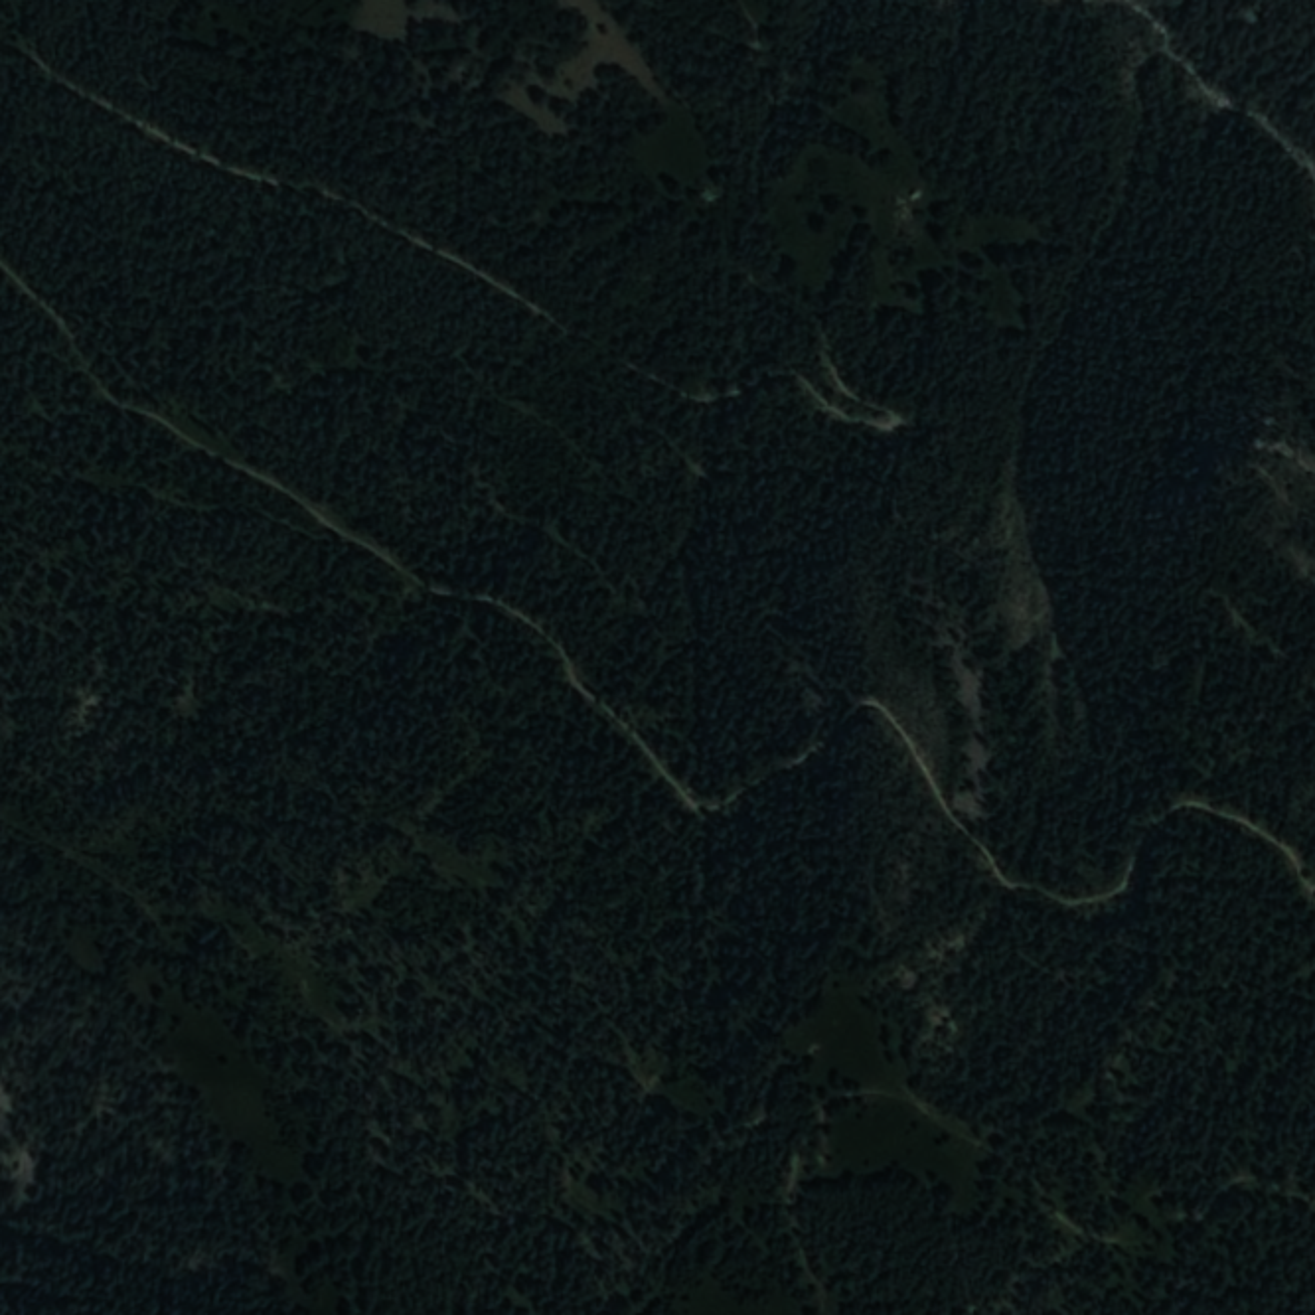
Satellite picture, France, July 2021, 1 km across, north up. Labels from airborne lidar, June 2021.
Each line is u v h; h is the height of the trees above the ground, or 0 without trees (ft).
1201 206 57
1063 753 21
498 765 22
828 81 50
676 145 0
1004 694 25
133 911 23
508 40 51
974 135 50
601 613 90
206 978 78
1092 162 81
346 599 85
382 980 96
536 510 45
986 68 95
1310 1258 61
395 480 81
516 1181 88
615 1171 94
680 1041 92
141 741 74
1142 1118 41
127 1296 71
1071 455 88
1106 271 33
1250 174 69
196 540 88
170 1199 72
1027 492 47
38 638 68
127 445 94
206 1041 0
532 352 39
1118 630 74
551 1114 81
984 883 22
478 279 24
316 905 35
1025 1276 78
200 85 43
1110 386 94
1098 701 56
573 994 96
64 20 60
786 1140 48
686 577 47
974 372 81
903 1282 62
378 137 67
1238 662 72
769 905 42
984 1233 62
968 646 29
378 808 18
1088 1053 53
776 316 84
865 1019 0
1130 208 24
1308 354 76
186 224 73
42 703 31
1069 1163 39
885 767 52
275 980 22
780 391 95
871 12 59
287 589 43
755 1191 27
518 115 39
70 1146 67
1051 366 71
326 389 85
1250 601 41
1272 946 44
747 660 78
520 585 77
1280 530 34
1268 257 60
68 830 28
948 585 64
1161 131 58
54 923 48
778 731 75
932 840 45
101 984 53
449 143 37
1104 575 74
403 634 24
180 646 92
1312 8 45
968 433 57
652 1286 69
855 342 84
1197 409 50
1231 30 60
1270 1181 83
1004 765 36
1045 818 79
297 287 79
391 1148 91
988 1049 67
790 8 78
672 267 54
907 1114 0
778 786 22
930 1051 30
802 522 78
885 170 33
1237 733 65
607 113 48
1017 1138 49
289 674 28
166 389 97
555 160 27
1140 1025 68
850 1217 53
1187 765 28
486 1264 98
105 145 92
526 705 46
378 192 86
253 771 69
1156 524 36
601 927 25
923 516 52
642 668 85
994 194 75
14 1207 53
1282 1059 81
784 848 94
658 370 67
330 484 68
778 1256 26
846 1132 0
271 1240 24
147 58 67
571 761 66
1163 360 87
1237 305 45
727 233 32
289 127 97
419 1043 93
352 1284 78
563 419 33
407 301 79
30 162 86
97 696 35
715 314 75
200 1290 49
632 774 22
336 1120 75
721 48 35
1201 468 31
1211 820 24
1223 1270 47
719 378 50
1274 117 59
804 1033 0
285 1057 88
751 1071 77
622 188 41
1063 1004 68
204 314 51
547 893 96
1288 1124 98
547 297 53
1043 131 53
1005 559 31
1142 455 83
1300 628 76
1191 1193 74
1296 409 21
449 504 86
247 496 80
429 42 59
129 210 92
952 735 24
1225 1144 84
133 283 86
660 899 48
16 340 84
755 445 94
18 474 36
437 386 77
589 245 41
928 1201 58
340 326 45
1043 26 63
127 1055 48
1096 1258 44
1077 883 75
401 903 21
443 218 60
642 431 21
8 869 60
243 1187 38
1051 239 27
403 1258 102
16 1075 39
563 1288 96
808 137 78
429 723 22
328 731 40
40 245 88
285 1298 37
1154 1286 76
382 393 83
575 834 22
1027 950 64
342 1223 73
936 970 22
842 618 60
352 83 86
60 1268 83
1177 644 28
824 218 68
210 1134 23
